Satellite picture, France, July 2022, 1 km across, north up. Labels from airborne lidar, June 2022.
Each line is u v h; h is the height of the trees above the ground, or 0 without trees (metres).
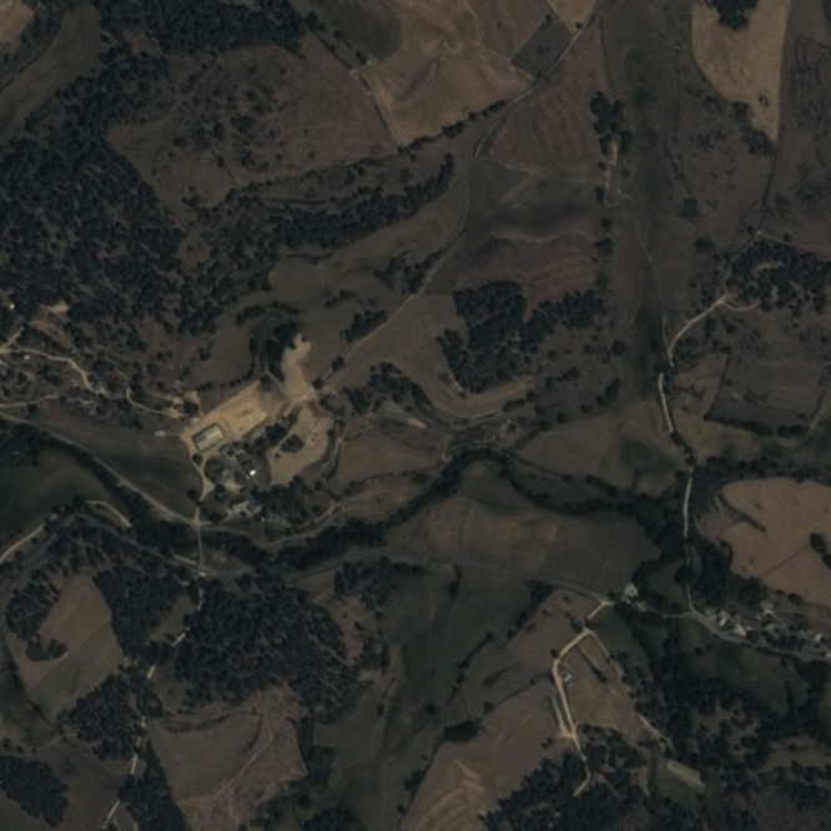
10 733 0
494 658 0
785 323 0
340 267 0
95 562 16
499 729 0
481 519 0
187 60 0
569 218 0
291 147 0
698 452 0
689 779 0
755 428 15
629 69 0
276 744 0
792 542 0
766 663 0
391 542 0
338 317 0
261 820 9
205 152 0
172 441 0
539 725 0
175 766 0
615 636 0
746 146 0
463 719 0
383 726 0
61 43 0
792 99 0
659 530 12
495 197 0
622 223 0
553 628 0
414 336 0
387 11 0
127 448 0
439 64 0
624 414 0
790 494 0
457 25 0
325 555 15
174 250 16
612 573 0
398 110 0
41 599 15
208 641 14
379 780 0
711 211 0
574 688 0
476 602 0
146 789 13
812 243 0
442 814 0
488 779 0
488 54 0
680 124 0
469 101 0
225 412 0
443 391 0
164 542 11
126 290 13
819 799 22
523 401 9
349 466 0
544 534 0
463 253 0
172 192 0
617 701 0
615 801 21
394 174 0
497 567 0
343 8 0
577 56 0
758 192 0
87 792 0
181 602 0
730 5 11
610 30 0
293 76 0
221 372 0
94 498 0
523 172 0
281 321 0
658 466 0
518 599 0
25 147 14
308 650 25
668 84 0
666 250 0
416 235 0
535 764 0
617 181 0
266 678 17
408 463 0
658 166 0
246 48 9
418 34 0
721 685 11
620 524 0
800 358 0
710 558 16
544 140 0
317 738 0
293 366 0
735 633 0
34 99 0
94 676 0
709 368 0
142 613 20
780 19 0
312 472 0
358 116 0
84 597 0
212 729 0
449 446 0
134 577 17
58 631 0
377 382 13
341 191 0
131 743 21
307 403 0
